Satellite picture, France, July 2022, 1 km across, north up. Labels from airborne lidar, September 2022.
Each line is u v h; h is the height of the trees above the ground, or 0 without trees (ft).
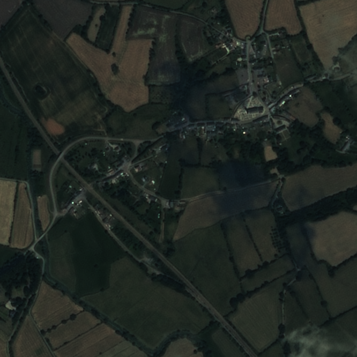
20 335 0
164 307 0
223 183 0
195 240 0
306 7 0
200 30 0
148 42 0
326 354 0
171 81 0
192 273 0
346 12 0
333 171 0
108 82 0
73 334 0
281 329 56
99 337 0
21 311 27
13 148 0
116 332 22
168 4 0
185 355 0
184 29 0
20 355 0
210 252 0
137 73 0
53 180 0
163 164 26
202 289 0
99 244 0
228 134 24
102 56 0
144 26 0
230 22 19
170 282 52
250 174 40
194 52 0
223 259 0
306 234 45
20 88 24
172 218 19
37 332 0
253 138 0
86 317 0
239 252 0
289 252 29
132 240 21
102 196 0
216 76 76
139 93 0
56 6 0
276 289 0
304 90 0
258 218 0
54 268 0
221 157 0
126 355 0
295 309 0
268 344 0
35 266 98
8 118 0
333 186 0
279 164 56
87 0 35
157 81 0
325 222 0
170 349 0
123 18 0
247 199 0
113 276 0
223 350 0
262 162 32
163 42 0
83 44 0
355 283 0
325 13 0
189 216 0
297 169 56
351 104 0
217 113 0
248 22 0
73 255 0
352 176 0
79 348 0
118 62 0
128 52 0
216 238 0
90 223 0
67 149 0
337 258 0
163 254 23
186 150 0
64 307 0
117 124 0
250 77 0
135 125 0
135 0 43
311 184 0
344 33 0
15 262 63
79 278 0
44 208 0
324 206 38
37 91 29
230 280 0
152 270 0
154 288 0
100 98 44
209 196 0
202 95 0
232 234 0
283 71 0
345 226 0
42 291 0
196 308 0
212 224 0
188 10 0
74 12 0
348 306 0
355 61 0
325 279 0
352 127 0
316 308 0
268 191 0
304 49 0
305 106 0
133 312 0
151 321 0
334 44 0
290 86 0
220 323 28
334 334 0
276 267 0
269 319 0
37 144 24
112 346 0
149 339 0
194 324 0
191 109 0
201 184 0
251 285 0
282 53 19
